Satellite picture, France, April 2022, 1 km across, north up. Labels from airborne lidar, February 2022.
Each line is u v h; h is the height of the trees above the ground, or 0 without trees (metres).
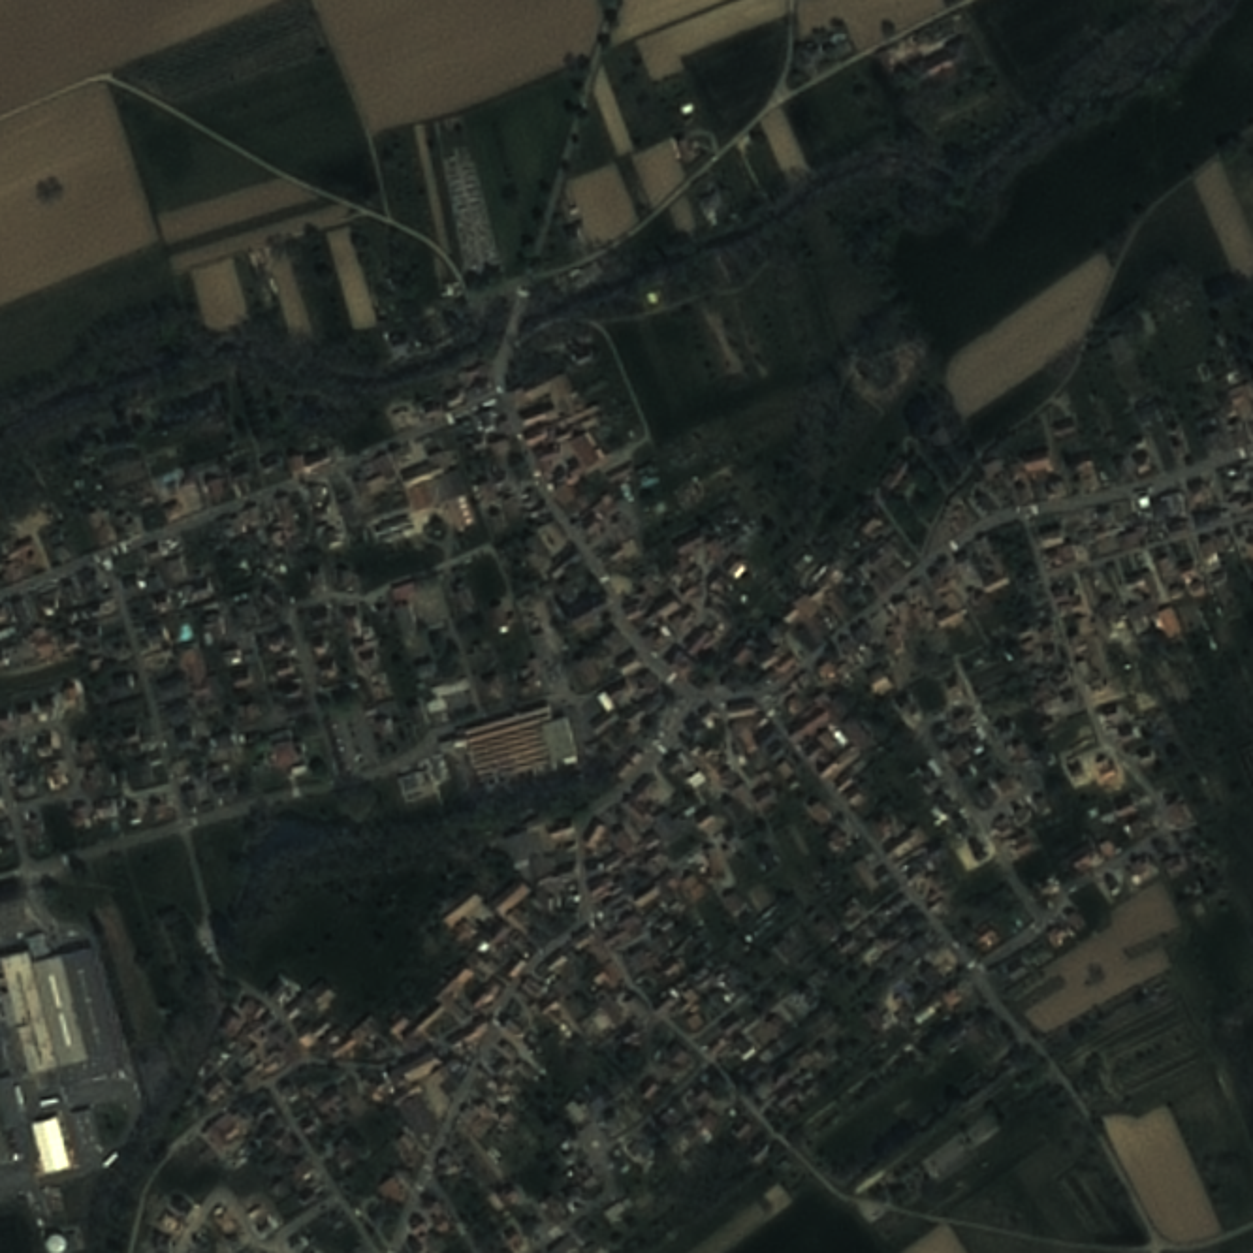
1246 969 0
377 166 0
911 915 8
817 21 0
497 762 0
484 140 0
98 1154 0
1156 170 0
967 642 0
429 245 0
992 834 0
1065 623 0
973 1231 0
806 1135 12
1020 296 0
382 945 10
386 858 18
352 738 0
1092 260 0
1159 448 0
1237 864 0
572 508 0
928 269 0
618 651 0
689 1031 0
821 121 0
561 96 0
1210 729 6
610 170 0
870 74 0
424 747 0
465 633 13
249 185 0
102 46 0
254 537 12
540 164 0
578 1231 11
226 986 10
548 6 0
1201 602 0
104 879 0
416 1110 0
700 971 0
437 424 0
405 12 0
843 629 0
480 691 0
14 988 0
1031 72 0
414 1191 0
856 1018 0
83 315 0
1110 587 0
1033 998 0
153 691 0
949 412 17
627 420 0
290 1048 0
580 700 0
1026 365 0
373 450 0
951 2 12
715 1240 0
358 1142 12
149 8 0
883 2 0
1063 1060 0
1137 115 0
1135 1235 0
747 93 0
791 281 9
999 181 23
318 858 24
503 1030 0
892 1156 10
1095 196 0
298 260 7
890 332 22
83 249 0
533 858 0
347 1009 0
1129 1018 0
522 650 0
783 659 0
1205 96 0
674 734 0
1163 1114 0
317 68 0
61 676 0
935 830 0
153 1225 0
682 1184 17
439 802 0
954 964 0
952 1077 0
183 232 0
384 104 0
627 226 0
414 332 15
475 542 0
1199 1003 0
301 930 0
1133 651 0
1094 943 0
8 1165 0
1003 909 12
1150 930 0
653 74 0
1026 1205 0
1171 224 0
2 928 0
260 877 21
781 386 0
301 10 0
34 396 19
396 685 0
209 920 0
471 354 13
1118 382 0
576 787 23
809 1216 0
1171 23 15
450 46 0
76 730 0
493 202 0
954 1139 0
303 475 0
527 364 12
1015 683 7
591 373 0
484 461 6
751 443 0
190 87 0
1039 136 15
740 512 11
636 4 0
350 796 22
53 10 0
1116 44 19
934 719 0
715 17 0
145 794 0
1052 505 0
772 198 16
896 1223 0
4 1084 0
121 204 0
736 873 0
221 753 0
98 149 0
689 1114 8
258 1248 0
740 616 13
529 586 7
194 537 0
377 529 0
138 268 0
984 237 16
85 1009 0
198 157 0
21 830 0
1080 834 0
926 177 20
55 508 0
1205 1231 0
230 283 0
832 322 0
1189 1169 0
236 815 0
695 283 18
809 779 0
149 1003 0
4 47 0
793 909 6
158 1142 14
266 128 0
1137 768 0
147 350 19
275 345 24
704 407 0
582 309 18
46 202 10
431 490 0
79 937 0
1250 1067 10
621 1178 0
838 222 8
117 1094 0
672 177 0
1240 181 0
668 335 0
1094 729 0
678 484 0
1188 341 0
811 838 0
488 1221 6
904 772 0
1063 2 0
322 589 0
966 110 0
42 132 0
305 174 0
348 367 14
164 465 0
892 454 8
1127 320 17
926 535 0
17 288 0
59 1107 0
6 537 0
